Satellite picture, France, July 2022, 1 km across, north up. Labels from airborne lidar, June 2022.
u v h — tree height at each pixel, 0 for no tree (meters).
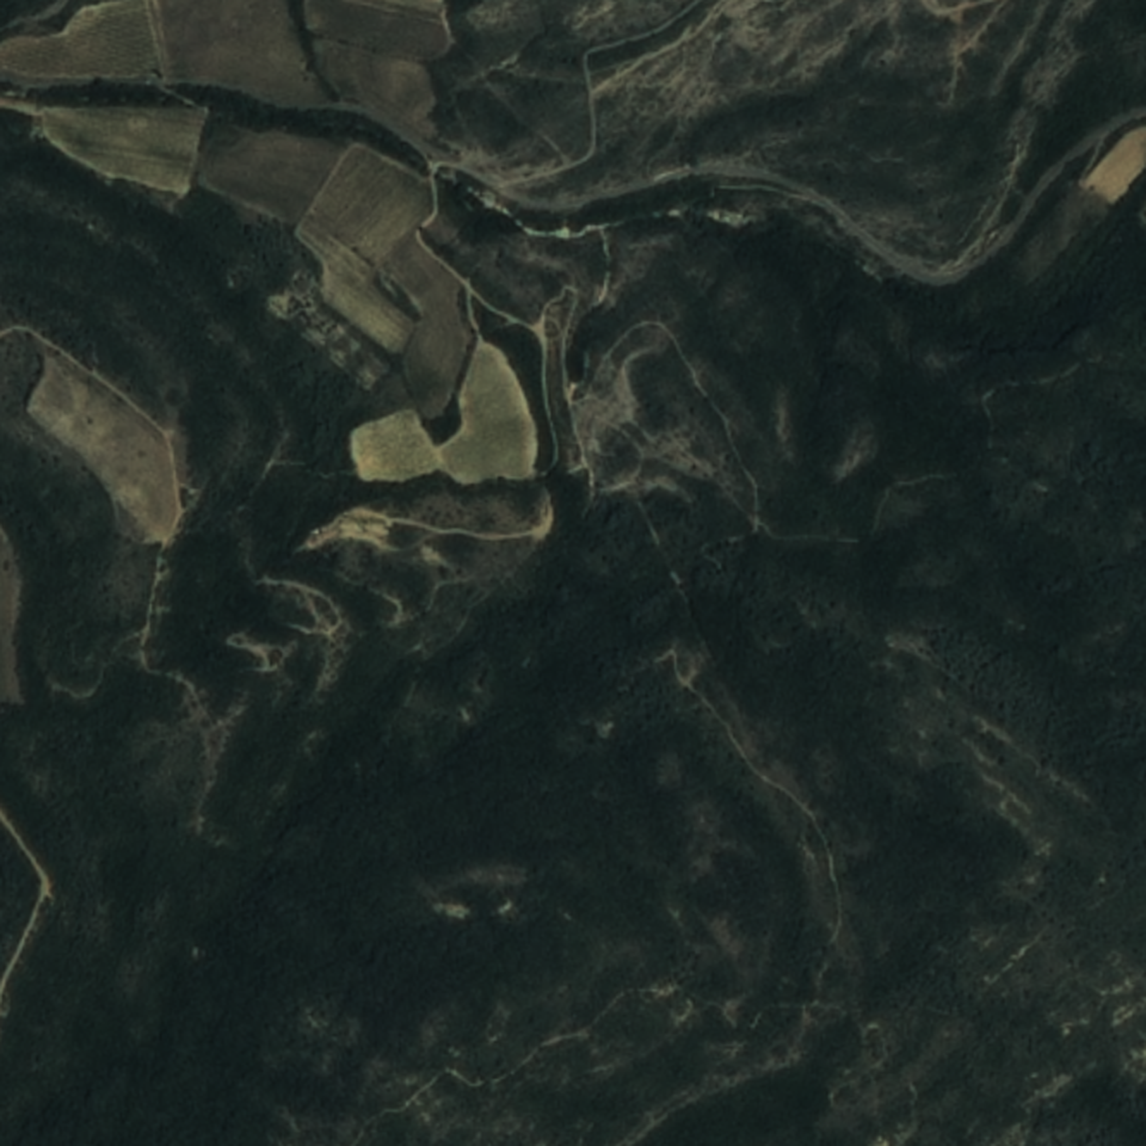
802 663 6
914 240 0
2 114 8
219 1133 6
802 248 7
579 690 7
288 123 10
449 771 8
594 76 0
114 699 7
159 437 0
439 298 0
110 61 0
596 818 6
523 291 0
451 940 8
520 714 6
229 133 0
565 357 5
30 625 6
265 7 0
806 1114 6
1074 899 6
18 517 10
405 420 0
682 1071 6
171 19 0
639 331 0
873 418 6
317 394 9
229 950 7
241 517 7
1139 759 7
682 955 6
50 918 6
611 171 0
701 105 0
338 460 11
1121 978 0
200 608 8
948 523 7
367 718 6
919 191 6
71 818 6
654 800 7
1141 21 5
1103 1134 10
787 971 6
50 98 10
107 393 0
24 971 6
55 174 7
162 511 0
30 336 8
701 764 6
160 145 0
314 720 6
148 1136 7
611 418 0
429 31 0
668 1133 6
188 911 6
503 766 6
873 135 0
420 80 0
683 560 9
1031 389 7
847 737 6
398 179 0
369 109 0
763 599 7
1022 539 8
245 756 7
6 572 0
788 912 6
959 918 6
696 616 9
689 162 8
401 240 0
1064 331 8
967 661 11
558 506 7
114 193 6
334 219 0
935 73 0
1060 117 8
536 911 6
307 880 6
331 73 0
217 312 6
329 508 8
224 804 6
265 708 6
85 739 13
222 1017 6
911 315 10
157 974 6
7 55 0
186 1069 6
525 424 0
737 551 11
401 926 6
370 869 7
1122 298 5
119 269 6
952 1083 7
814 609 7
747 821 6
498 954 6
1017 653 6
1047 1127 9
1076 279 8
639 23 0
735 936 0
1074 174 8
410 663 6
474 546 0
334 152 0
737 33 0
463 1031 6
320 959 5
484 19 0
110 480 0
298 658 6
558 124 0
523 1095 5
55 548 6
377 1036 6
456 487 8
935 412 9
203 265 9
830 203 0
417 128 0
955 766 8
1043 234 0
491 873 0
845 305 6
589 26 0
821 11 0
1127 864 6
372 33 0
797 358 7
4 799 10
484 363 0
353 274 0
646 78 0
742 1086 6
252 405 6
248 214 0
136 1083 6
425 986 7
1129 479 6
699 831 0
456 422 7
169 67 0
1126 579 7
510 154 0
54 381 0
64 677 5
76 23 0
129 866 7
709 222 10
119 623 11
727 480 0
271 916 7
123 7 0
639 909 7
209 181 0
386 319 0
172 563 6
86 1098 8
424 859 7
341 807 9
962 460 7
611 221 8
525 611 6
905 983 7
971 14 0
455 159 0
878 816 6
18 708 8
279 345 9
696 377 0
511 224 5
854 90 0
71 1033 7
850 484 7
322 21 0
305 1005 6
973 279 8
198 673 8
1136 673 6
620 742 6
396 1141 6
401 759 6
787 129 0
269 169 0
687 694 7
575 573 7
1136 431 7
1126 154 0
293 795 8
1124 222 6
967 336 15
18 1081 7
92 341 6
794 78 0
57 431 0
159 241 6
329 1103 6
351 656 5
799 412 6
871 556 6
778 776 0
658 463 0
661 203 6
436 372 0
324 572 6
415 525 0
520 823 6
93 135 0
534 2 0
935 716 0
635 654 6
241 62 0
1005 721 9
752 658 6
